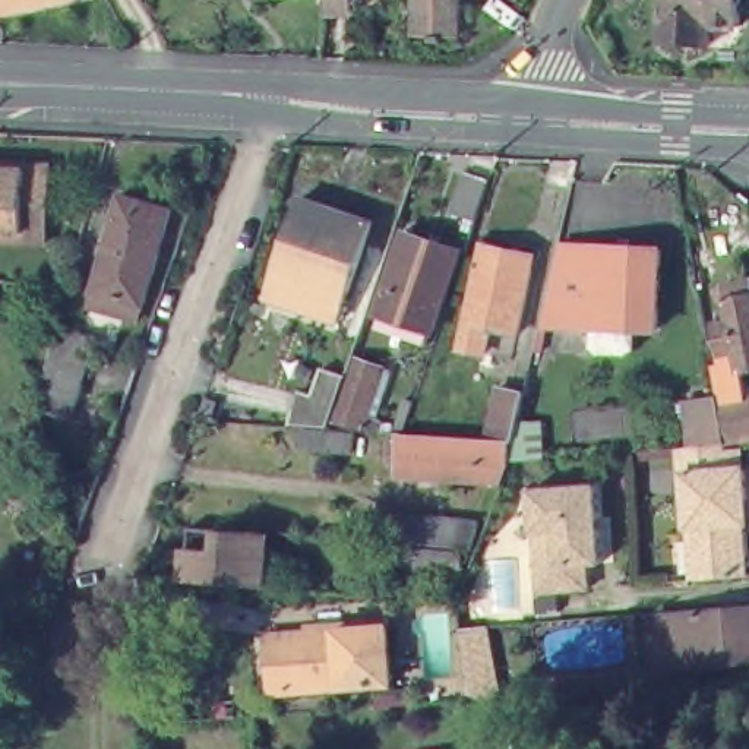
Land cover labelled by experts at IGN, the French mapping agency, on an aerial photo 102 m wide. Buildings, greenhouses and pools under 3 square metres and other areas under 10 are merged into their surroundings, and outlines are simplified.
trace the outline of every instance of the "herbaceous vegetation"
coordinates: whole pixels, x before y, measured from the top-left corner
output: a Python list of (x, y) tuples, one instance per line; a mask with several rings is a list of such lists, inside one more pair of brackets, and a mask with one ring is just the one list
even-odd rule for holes
[(91, 345), (105, 357), (108, 366), (117, 363), (117, 351), (123, 345), (120, 328), (97, 328), (88, 322), (76, 334), (85, 336)]
[(670, 59), (655, 56), (658, 44), (655, 0), (611, 0), (611, 20), (606, 20), (603, 26), (611, 41), (611, 53), (603, 59), (614, 76), (620, 73), (629, 79), (661, 82), (670, 76)]
[(641, 453), (641, 462), (635, 462), (638, 568), (644, 576), (652, 576), (658, 565), (673, 565), (673, 544), (679, 541), (679, 527), (673, 492), (673, 448), (652, 448)]
[(506, 685), (509, 673), (521, 676), (530, 670), (530, 652), (524, 652), (521, 647), (521, 638), (527, 635), (518, 620), (471, 617), (471, 603), (486, 594), (489, 585), (486, 568), (486, 547), (512, 518), (521, 494), (515, 489), (503, 489), (500, 483), (497, 486), (497, 506), (492, 512), (480, 512), (477, 492), (453, 492), (448, 503), (430, 492), (418, 486), (401, 486), (392, 480), (389, 439), (380, 430), (369, 430), (363, 436), (360, 459), (366, 465), (366, 477), (334, 480), (339, 494), (351, 497), (363, 509), (372, 509), (377, 518), (392, 518), (398, 524), (398, 541), (407, 544), (408, 516), (477, 521), (471, 544), (453, 541), (459, 571), (448, 568), (445, 579), (451, 588), (451, 603), (442, 611), (448, 611), (453, 623), (489, 632), (497, 682)]
[(594, 439), (623, 439), (626, 410), (611, 407), (611, 398), (623, 392), (626, 383), (632, 383), (635, 369), (647, 380), (664, 386), (676, 401), (705, 398), (711, 392), (711, 354), (705, 351), (699, 296), (690, 293), (685, 284), (682, 243), (658, 257), (652, 334), (632, 336), (629, 354), (623, 357), (588, 354), (553, 354), (544, 363), (544, 369), (530, 363), (527, 375), (509, 377), (506, 383), (521, 395), (515, 415), (524, 424), (541, 424), (541, 448), (571, 451), (585, 448), (585, 442)]
[(202, 363), (222, 375), (290, 392), (298, 392), (296, 366), (313, 372), (331, 369), (334, 363), (351, 360), (354, 354), (389, 372), (389, 383), (377, 410), (383, 424), (389, 424), (395, 415), (395, 401), (410, 398), (410, 413), (404, 424), (407, 433), (477, 439), (483, 433), (492, 392), (503, 383), (500, 377), (489, 375), (480, 363), (474, 357), (453, 354), (453, 331), (474, 246), (489, 243), (489, 231), (527, 231), (535, 225), (538, 199), (547, 184), (553, 161), (494, 158), (494, 167), (486, 181), (471, 222), (471, 231), (465, 231), (456, 243), (465, 246), (456, 278), (451, 281), (442, 298), (436, 328), (424, 336), (424, 342), (418, 345), (424, 351), (421, 366), (410, 363), (401, 372), (389, 348), (386, 336), (372, 331), (377, 322), (369, 313), (363, 319), (360, 336), (336, 331), (325, 331), (322, 325), (301, 319), (287, 319), (284, 313), (260, 313), (260, 281), (269, 263), (272, 243), (281, 231), (281, 205), (266, 208), (260, 243), (252, 243), (249, 260), (228, 272), (225, 287), (217, 298), (217, 322), (211, 322), (208, 336), (199, 348)]
[(480, 56), (506, 41), (506, 26), (518, 18), (512, 6), (518, 0), (456, 0), (456, 38), (459, 44), (474, 44)]
[(334, 497), (269, 494), (255, 489), (187, 483), (187, 497), (181, 500), (184, 515), (193, 518), (202, 530), (263, 535), (263, 568), (269, 571), (272, 559), (281, 556), (296, 565), (296, 573), (307, 579), (313, 588), (322, 588), (334, 579), (334, 565), (325, 559), (319, 547), (296, 544), (287, 538), (287, 532), (293, 512), (316, 515), (319, 521), (339, 521)]
[(0, 556), (6, 556), (6, 550), (15, 544), (23, 544), (23, 538), (18, 535), (18, 518), (0, 518)]
[(3, 749), (135, 749), (135, 731), (123, 726), (120, 717), (111, 717), (105, 705), (99, 705), (97, 711), (73, 711), (76, 699), (67, 693), (64, 679), (53, 673), (47, 682), (38, 682), (26, 693), (29, 714), (23, 731), (18, 731), (15, 740)]
[(372, 181), (363, 196), (392, 205), (389, 228), (413, 231), (421, 217), (448, 219), (448, 205), (459, 190), (459, 176), (445, 170), (445, 164), (433, 158), (389, 149), (366, 149), (363, 164), (369, 164)]
[(688, 176), (673, 167), (632, 161), (611, 164), (614, 176), (655, 178), (658, 190), (670, 190), (673, 222), (682, 231), (682, 237), (699, 243), (699, 263), (708, 269), (711, 278), (740, 281), (743, 275), (749, 275), (749, 202), (746, 196), (731, 193), (705, 173)]
[(237, 731), (193, 731), (187, 740), (167, 737), (158, 749), (243, 749)]
[(111, 196), (120, 184), (120, 167), (126, 173), (135, 173), (149, 155), (176, 155), (178, 149), (176, 143), (0, 135), (0, 167), (35, 170), (35, 164), (47, 164), (47, 170), (82, 170), (88, 173), (91, 187), (108, 199)]
[(85, 0), (32, 15), (0, 18), (0, 29), (15, 44), (85, 44), (99, 38), (111, 50), (129, 47), (129, 35), (117, 23), (123, 9), (117, 6), (117, 0)]
[(278, 749), (453, 749), (448, 743), (439, 743), (433, 731), (418, 734), (401, 723), (377, 740), (369, 723), (354, 726), (342, 723), (339, 717), (316, 717), (316, 708), (310, 702), (316, 696), (287, 699), (287, 717), (281, 717), (278, 711), (263, 717), (275, 731)]
[(696, 76), (702, 79), (702, 85), (749, 85), (749, 0), (734, 0), (740, 20), (737, 26), (740, 38), (731, 47), (720, 47), (717, 61), (699, 61)]
[(272, 29), (278, 29), (284, 47), (304, 53), (304, 50), (322, 50), (322, 47), (325, 47), (325, 20), (328, 20), (328, 18), (322, 15), (316, 0), (260, 0), (255, 3), (255, 9), (266, 15), (266, 23)]
[(161, 284), (161, 296), (181, 296), (187, 275), (196, 269), (214, 214), (205, 205), (193, 205), (178, 217), (181, 243), (173, 249), (173, 266)]
[(339, 184), (345, 165), (342, 161), (334, 167), (325, 161), (301, 158), (296, 181), (307, 184), (310, 190), (325, 181)]
[(61, 228), (53, 217), (44, 219), (44, 246), (0, 246), (0, 272), (6, 275), (23, 266), (23, 272), (38, 275), (38, 269), (50, 263), (50, 240), (61, 240), (76, 249), (76, 272), (79, 281), (88, 284), (97, 243), (94, 231)]
[(623, 544), (626, 532), (620, 474), (609, 471), (606, 480), (600, 480), (585, 474), (582, 468), (571, 468), (553, 471), (544, 480), (535, 477), (535, 471), (527, 462), (521, 462), (524, 489), (591, 486), (594, 512), (609, 518), (611, 544), (617, 547)]
[(20, 427), (38, 421), (38, 442), (56, 453), (61, 489), (79, 486), (88, 494), (79, 503), (79, 512), (94, 521), (99, 492), (111, 477), (108, 465), (91, 468), (88, 462), (97, 436), (105, 430), (105, 424), (91, 404), (85, 407), (76, 401), (73, 407), (64, 407), (59, 418), (47, 418), (41, 413), (38, 377), (26, 369), (26, 357), (18, 351), (12, 339), (0, 342), (0, 430), (12, 439), (20, 439)]
[(316, 474), (316, 462), (322, 453), (304, 451), (298, 445), (298, 430), (284, 424), (284, 433), (272, 433), (269, 427), (255, 424), (222, 427), (211, 439), (190, 445), (193, 421), (205, 418), (199, 413), (202, 404), (196, 392), (190, 392), (181, 401), (170, 436), (173, 451), (178, 456), (190, 456), (190, 465), (290, 480), (310, 480)]
[(164, 44), (170, 38), (193, 38), (205, 32), (217, 35), (219, 29), (214, 12), (228, 12), (234, 20), (253, 23), (241, 0), (140, 0)]

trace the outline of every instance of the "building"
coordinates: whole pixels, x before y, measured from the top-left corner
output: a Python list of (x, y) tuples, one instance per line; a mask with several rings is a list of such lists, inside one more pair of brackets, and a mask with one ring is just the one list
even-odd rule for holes
[(407, 0), (413, 38), (456, 38), (456, 0)]
[(0, 18), (32, 15), (85, 0), (0, 0)]
[(47, 164), (35, 164), (35, 170), (0, 167), (0, 246), (44, 246), (44, 219), (47, 170)]
[(155, 269), (167, 217), (173, 211), (161, 199), (143, 202), (129, 196), (111, 196), (108, 199), (105, 208), (94, 214), (94, 231), (97, 243), (88, 284), (88, 322), (97, 328), (120, 328), (132, 328), (138, 316), (149, 275)]
[(638, 664), (658, 670), (664, 685), (699, 688), (702, 679), (717, 679), (729, 661), (749, 661), (749, 606), (655, 614), (638, 614), (638, 635), (647, 635), (647, 652)]
[(41, 354), (44, 375), (50, 380), (50, 398), (53, 404), (64, 407), (73, 407), (76, 401), (82, 372), (88, 372), (82, 360), (76, 360), (76, 351), (85, 351), (91, 345), (85, 336), (76, 334), (70, 334), (59, 345), (44, 348)]
[(386, 688), (389, 667), (383, 626), (345, 626), (304, 626), (296, 632), (266, 632), (255, 641), (255, 658), (263, 690), (269, 696), (287, 699), (316, 696), (366, 693), (369, 705), (377, 705), (380, 711), (404, 708), (404, 696)]
[(459, 176), (459, 190), (448, 205), (448, 219), (456, 225), (462, 219), (471, 222), (486, 181), (468, 173)]
[(743, 275), (740, 281), (711, 278), (711, 293), (699, 290), (699, 296), (705, 351), (711, 354), (711, 392), (705, 398), (676, 401), (676, 415), (682, 421), (682, 448), (673, 448), (673, 492), (679, 527), (679, 541), (673, 544), (673, 565), (679, 573), (696, 582), (749, 576), (749, 573), (743, 559), (740, 453), (749, 448), (749, 275)]
[(500, 483), (506, 462), (521, 462), (527, 462), (541, 459), (541, 448), (541, 424), (524, 424), (515, 415), (521, 395), (506, 383), (503, 383), (492, 392), (483, 433), (477, 439), (407, 433), (404, 424), (410, 413), (410, 398), (395, 401), (395, 415), (389, 424), (383, 424), (377, 410), (389, 383), (389, 372), (354, 354), (351, 360), (334, 363), (331, 369), (313, 372), (296, 366), (298, 392), (290, 392), (293, 407), (281, 413), (284, 424), (298, 430), (298, 445), (304, 451), (322, 453), (360, 459), (363, 436), (369, 430), (380, 430), (389, 439), (392, 480), (401, 486), (418, 486), (430, 492), (445, 483), (471, 483), (489, 489), (497, 486)]
[(202, 404), (199, 413), (205, 418), (214, 418), (214, 392), (196, 392)]
[(532, 594), (565, 594), (582, 588), (585, 582), (597, 585), (606, 576), (606, 556), (594, 547), (594, 512), (591, 486), (524, 489), (521, 494), (512, 518), (518, 521), (518, 538), (530, 544)]
[(456, 243), (445, 246), (413, 231), (389, 228), (389, 237), (377, 252), (377, 257), (383, 260), (383, 275), (375, 290), (369, 313), (377, 322), (424, 336), (436, 328), (442, 298), (451, 281), (456, 278), (465, 246)]
[(489, 243), (474, 246), (453, 331), (453, 354), (474, 357), (480, 363), (483, 357), (489, 357), (489, 334), (515, 334), (532, 266), (530, 252), (500, 249)]
[(729, 26), (737, 26), (740, 20), (734, 0), (655, 0), (658, 44), (708, 47)]
[(334, 20), (334, 26), (348, 26), (348, 0), (316, 0), (322, 15), (328, 18)]
[(193, 518), (184, 515), (176, 521), (176, 538), (181, 547), (173, 553), (178, 582), (205, 585), (214, 576), (231, 576), (243, 588), (260, 591), (263, 568), (263, 535), (202, 530)]
[(588, 354), (623, 357), (629, 354), (632, 336), (652, 334), (658, 257), (655, 246), (626, 243), (562, 243), (550, 249), (538, 322), (553, 334), (579, 336)]
[(260, 281), (260, 313), (284, 313), (287, 319), (301, 319), (322, 325), (325, 331), (336, 331), (336, 310), (348, 287), (348, 275), (357, 266), (360, 252), (366, 246), (369, 222), (357, 214), (313, 202), (310, 190), (307, 184), (296, 181), (290, 199), (281, 199), (281, 205), (281, 231), (272, 243), (269, 263)]
[(477, 521), (408, 516), (407, 544), (413, 550), (413, 573), (421, 565), (448, 568), (459, 571), (453, 541), (471, 544)]

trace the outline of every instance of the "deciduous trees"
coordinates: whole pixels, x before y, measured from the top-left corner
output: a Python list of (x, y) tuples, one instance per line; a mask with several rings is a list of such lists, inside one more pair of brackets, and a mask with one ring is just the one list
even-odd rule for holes
[(117, 424), (117, 407), (111, 401), (111, 392), (97, 392), (91, 404), (105, 424)]
[(255, 658), (255, 641), (246, 632), (234, 632), (225, 614), (240, 606), (257, 609), (260, 603), (272, 606), (275, 611), (331, 606), (351, 603), (354, 609), (380, 609), (386, 614), (418, 614), (442, 611), (451, 603), (451, 588), (445, 579), (448, 568), (421, 565), (413, 573), (413, 550), (407, 544), (398, 541), (398, 524), (392, 518), (377, 518), (372, 509), (363, 509), (351, 497), (339, 494), (334, 497), (339, 521), (319, 521), (316, 515), (293, 512), (287, 532), (287, 538), (296, 544), (319, 547), (325, 559), (334, 565), (334, 579), (322, 588), (313, 588), (307, 579), (296, 573), (296, 565), (281, 556), (272, 559), (269, 571), (263, 568), (260, 591), (243, 588), (231, 576), (214, 576), (205, 585), (178, 582), (173, 553), (181, 547), (176, 538), (176, 521), (184, 515), (181, 500), (187, 497), (187, 483), (184, 483), (167, 477), (152, 489), (146, 506), (146, 538), (152, 541), (152, 547), (135, 553), (138, 565), (126, 571), (129, 576), (123, 585), (114, 573), (108, 573), (94, 588), (73, 585), (73, 559), (67, 556), (76, 547), (70, 527), (76, 524), (79, 512), (79, 503), (88, 494), (79, 486), (61, 489), (56, 453), (38, 442), (38, 421), (20, 427), (20, 439), (12, 439), (0, 430), (0, 518), (18, 518), (18, 535), (23, 538), (23, 544), (15, 544), (6, 550), (6, 556), (0, 556), (0, 749), (3, 749), (15, 740), (18, 731), (23, 731), (29, 714), (26, 693), (38, 682), (47, 682), (53, 673), (64, 679), (67, 693), (76, 699), (73, 711), (97, 711), (99, 705), (105, 705), (111, 717), (120, 717), (123, 726), (135, 731), (135, 749), (158, 749), (167, 737), (187, 740), (193, 731), (237, 731), (243, 749), (278, 749), (275, 731), (263, 717), (278, 711), (281, 717), (287, 717), (287, 699), (269, 696), (263, 690)]
[(418, 679), (407, 679), (404, 696), (404, 708), (380, 711), (377, 705), (369, 705), (366, 693), (316, 696), (310, 702), (316, 708), (316, 717), (339, 717), (342, 723), (354, 726), (369, 723), (377, 740), (401, 723), (418, 734), (433, 731), (439, 743), (448, 743), (453, 749), (749, 749), (749, 661), (729, 661), (717, 679), (702, 679), (699, 688), (664, 685), (658, 670), (638, 664), (620, 661), (603, 667), (550, 667), (544, 661), (544, 641), (538, 635), (527, 635), (521, 638), (521, 647), (524, 652), (530, 652), (530, 670), (521, 676), (509, 673), (506, 685), (497, 682), (489, 696), (451, 693), (433, 702), (430, 693), (415, 690)]
[(366, 465), (360, 459), (322, 453), (316, 462), (316, 474), (319, 480), (334, 480), (366, 477)]
[(413, 38), (407, 0), (348, 0), (348, 26), (334, 26), (334, 47), (336, 47), (336, 50), (345, 53), (345, 61), (407, 67), (465, 67), (480, 56), (474, 44), (459, 44), (456, 38)]
[(140, 357), (140, 336), (146, 334), (146, 319), (138, 316), (132, 328), (120, 328), (123, 345), (117, 351), (117, 363), (126, 372), (135, 372)]
[(38, 275), (23, 272), (23, 266), (6, 275), (0, 272), (0, 342), (12, 339), (18, 351), (26, 357), (26, 369), (38, 377), (41, 413), (47, 418), (59, 418), (64, 407), (53, 404), (50, 398), (50, 380), (44, 375), (41, 354), (44, 348), (59, 345), (70, 334), (76, 334), (88, 322), (88, 284), (79, 281), (76, 272), (76, 249), (61, 240), (50, 240), (50, 263), (38, 269)]
[(85, 351), (76, 351), (76, 360), (82, 360), (88, 372), (97, 377), (108, 366), (105, 357), (91, 345)]
[(421, 366), (424, 351), (418, 345), (401, 342), (389, 348), (401, 372), (410, 363)]
[(91, 187), (88, 173), (82, 170), (47, 170), (44, 219), (53, 217), (61, 228), (94, 231), (94, 214), (105, 208), (108, 199)]
[(521, 462), (506, 462), (500, 483), (503, 489), (515, 489), (521, 494), (524, 489)]
[(480, 512), (492, 512), (497, 506), (497, 486), (489, 489), (471, 483), (445, 483), (430, 492), (448, 503), (453, 492), (477, 492)]
[(178, 56), (272, 50), (263, 38), (263, 29), (253, 23), (234, 20), (228, 12), (214, 12), (219, 29), (217, 35), (205, 32), (193, 38), (170, 38), (164, 44), (164, 47)]
[(126, 173), (120, 167), (120, 184), (111, 196), (129, 196), (143, 202), (161, 199), (173, 211), (178, 217), (193, 205), (187, 193), (199, 181), (208, 181), (211, 170), (208, 149), (199, 146), (193, 152), (178, 149), (176, 155), (149, 155), (135, 173)]
[(541, 459), (527, 462), (535, 471), (535, 477), (544, 480), (553, 471), (571, 468), (582, 468), (585, 474), (600, 480), (606, 480), (609, 471), (620, 474), (629, 451), (641, 453), (652, 448), (673, 448), (682, 448), (682, 421), (676, 415), (676, 401), (664, 386), (647, 380), (635, 369), (632, 383), (626, 383), (623, 392), (611, 398), (611, 407), (626, 410), (623, 439), (594, 439), (585, 442), (585, 448), (571, 451), (541, 448)]
[(579, 26), (603, 59), (611, 53), (611, 41), (603, 26), (606, 20), (611, 20), (611, 0), (594, 0), (588, 18), (579, 18)]
[(193, 421), (190, 445), (211, 439), (222, 427), (214, 418), (205, 418)]

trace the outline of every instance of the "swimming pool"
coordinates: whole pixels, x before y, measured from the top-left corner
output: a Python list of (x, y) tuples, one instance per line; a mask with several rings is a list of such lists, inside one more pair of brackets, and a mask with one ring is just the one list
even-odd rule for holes
[(544, 661), (550, 667), (603, 667), (620, 661), (623, 632), (617, 626), (568, 623), (550, 632), (544, 641)]
[(489, 585), (503, 594), (506, 606), (512, 606), (518, 600), (518, 568), (512, 559), (506, 559), (492, 562), (486, 568)]
[(451, 673), (448, 626), (453, 623), (448, 611), (442, 611), (418, 614), (418, 667), (424, 667), (421, 679), (430, 682)]

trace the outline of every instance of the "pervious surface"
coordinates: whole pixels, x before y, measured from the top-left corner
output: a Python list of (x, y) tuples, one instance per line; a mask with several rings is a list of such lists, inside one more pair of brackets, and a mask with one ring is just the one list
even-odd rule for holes
[(418, 614), (386, 614), (380, 609), (354, 609), (351, 603), (331, 606), (336, 609), (345, 626), (383, 626), (389, 667), (386, 688), (404, 696), (407, 679), (418, 679), (415, 690), (430, 693), (433, 702), (451, 693), (489, 696), (497, 682), (489, 632), (453, 623), (448, 626), (451, 673), (430, 682), (421, 679), (424, 667), (418, 667)]
[(117, 23), (129, 35), (129, 47), (140, 47), (143, 53), (161, 53), (164, 47), (164, 44), (140, 0), (117, 0), (117, 6), (123, 9)]
[(158, 310), (161, 296), (161, 284), (173, 266), (173, 249), (181, 243), (178, 217), (173, 211), (167, 217), (155, 269), (149, 275), (138, 316), (146, 319)]
[(290, 392), (222, 375), (217, 377), (217, 392), (222, 392), (228, 404), (281, 413), (293, 407)]
[(263, 29), (263, 38), (272, 50), (284, 47), (278, 29), (272, 29), (266, 23), (266, 15), (255, 9), (255, 3), (260, 0), (241, 0), (253, 23)]
[(641, 585), (629, 588), (623, 585), (623, 571), (617, 559), (611, 556), (606, 556), (606, 576), (597, 585), (585, 582), (582, 588), (565, 594), (571, 611), (617, 611), (632, 609), (638, 603), (650, 603), (655, 614), (749, 606), (749, 576), (696, 582), (679, 573), (673, 582), (650, 585), (644, 579)]
[(260, 603), (257, 609), (240, 606), (225, 614), (234, 632), (246, 632), (255, 641), (266, 632), (275, 611), (272, 606)]
[(334, 480), (319, 480), (316, 474), (310, 480), (290, 480), (190, 465), (184, 483), (187, 483), (255, 489), (269, 494), (334, 497), (339, 494)]

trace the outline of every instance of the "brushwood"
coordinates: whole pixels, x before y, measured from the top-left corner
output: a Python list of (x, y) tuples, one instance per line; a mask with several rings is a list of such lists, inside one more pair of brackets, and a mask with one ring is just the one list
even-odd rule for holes
[(699, 296), (699, 290), (711, 293), (711, 278), (708, 269), (699, 263), (699, 243), (682, 237), (682, 243), (685, 284), (690, 293)]
[(208, 181), (199, 181), (187, 193), (193, 205), (205, 205), (214, 214), (237, 149), (228, 146), (222, 138), (199, 138), (199, 146), (208, 149), (211, 170)]
[(638, 568), (635, 462), (641, 462), (641, 453), (629, 451), (620, 474), (626, 532), (623, 544), (617, 547), (617, 553), (611, 556), (617, 559), (623, 571), (623, 585), (629, 588), (641, 585), (644, 579), (650, 585), (673, 582), (679, 573), (673, 565), (658, 565), (652, 576), (644, 576)]
[(304, 146), (298, 143), (298, 138), (293, 138), (275, 196), (263, 202), (266, 208), (281, 205), (281, 199), (290, 199), (296, 181), (301, 158), (325, 161), (334, 167), (342, 161), (345, 149), (339, 146)]
[(322, 50), (304, 50), (304, 53), (307, 59), (334, 59), (334, 50), (336, 50), (336, 47), (334, 47), (334, 26), (334, 20), (328, 18), (328, 20), (325, 20), (325, 47), (322, 47)]

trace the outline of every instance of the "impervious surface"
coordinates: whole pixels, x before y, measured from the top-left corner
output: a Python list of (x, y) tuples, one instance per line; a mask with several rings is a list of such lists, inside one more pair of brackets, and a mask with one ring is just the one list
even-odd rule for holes
[(296, 632), (304, 626), (345, 626), (336, 609), (331, 606), (275, 611), (266, 632)]
[(638, 614), (655, 614), (650, 603), (638, 603), (632, 609), (617, 611), (571, 611), (565, 594), (532, 594), (530, 544), (518, 538), (518, 521), (512, 518), (486, 547), (486, 568), (492, 562), (506, 559), (512, 559), (518, 568), (518, 600), (512, 606), (506, 606), (503, 594), (489, 585), (486, 594), (471, 603), (471, 617), (518, 620), (527, 635), (538, 635), (544, 641), (550, 632), (568, 623), (617, 626), (623, 632), (620, 661), (638, 664), (647, 652), (647, 635), (638, 635)]
[(550, 249), (562, 243), (626, 243), (655, 246), (658, 257), (682, 243), (682, 237), (682, 231), (673, 222), (670, 190), (658, 190), (655, 178), (614, 176), (611, 164), (632, 161), (673, 167), (688, 176), (705, 173), (731, 193), (746, 196), (749, 202), (749, 85), (702, 85), (702, 79), (696, 76), (699, 61), (717, 61), (720, 47), (731, 47), (740, 38), (737, 26), (729, 26), (708, 47), (658, 44), (655, 56), (670, 59), (670, 76), (661, 82), (629, 79), (620, 73), (614, 76), (603, 59), (579, 26), (579, 18), (588, 18), (594, 0), (518, 0), (512, 6), (518, 18), (506, 26), (506, 41), (480, 56), (465, 67), (407, 67), (345, 61), (345, 53), (336, 50), (334, 50), (334, 59), (307, 59), (304, 53), (284, 47), (272, 50), (178, 56), (164, 47), (161, 53), (143, 53), (140, 47), (129, 47), (111, 50), (99, 38), (85, 44), (15, 44), (0, 29), (0, 135), (176, 143), (178, 149), (193, 152), (199, 146), (199, 138), (222, 138), (228, 146), (237, 149), (214, 214), (196, 269), (187, 275), (181, 296), (161, 296), (158, 310), (146, 319), (146, 334), (140, 336), (140, 357), (135, 372), (126, 372), (117, 363), (108, 366), (97, 377), (88, 372), (82, 372), (76, 401), (85, 407), (91, 404), (97, 392), (111, 392), (111, 401), (117, 407), (117, 424), (105, 424), (105, 430), (97, 436), (88, 462), (91, 468), (108, 465), (111, 477), (99, 492), (94, 521), (79, 512), (76, 524), (70, 527), (76, 547), (67, 556), (73, 559), (73, 585), (94, 588), (108, 573), (114, 573), (123, 585), (129, 576), (126, 571), (138, 565), (135, 553), (152, 547), (152, 541), (146, 538), (146, 506), (152, 489), (167, 477), (184, 483), (190, 465), (190, 456), (178, 456), (173, 451), (170, 436), (181, 401), (190, 392), (196, 392), (214, 392), (214, 418), (222, 427), (255, 424), (269, 427), (272, 433), (284, 433), (284, 424), (281, 413), (228, 404), (222, 392), (217, 392), (217, 377), (222, 375), (202, 363), (199, 348), (208, 336), (211, 322), (217, 322), (217, 298), (225, 287), (228, 272), (249, 260), (252, 243), (260, 243), (266, 208), (263, 202), (275, 196), (293, 138), (298, 138), (298, 143), (304, 146), (339, 146), (345, 149), (342, 161), (345, 165), (339, 184), (325, 181), (310, 190), (313, 202), (357, 214), (369, 222), (366, 246), (360, 252), (357, 266), (348, 275), (348, 287), (336, 310), (336, 331), (360, 336), (363, 319), (369, 313), (375, 290), (383, 275), (383, 260), (377, 257), (377, 252), (389, 237), (389, 228), (392, 205), (363, 196), (372, 181), (369, 164), (363, 164), (366, 149), (389, 149), (433, 158), (445, 164), (445, 170), (459, 176), (468, 173), (486, 181), (494, 167), (494, 158), (553, 161), (547, 184), (538, 199), (535, 225), (527, 231), (489, 231), (489, 243), (500, 249), (530, 252), (532, 266), (515, 334), (489, 334), (489, 357), (483, 357), (480, 363), (489, 375), (500, 377), (503, 383), (506, 383), (509, 377), (527, 375), (530, 363), (544, 369), (544, 363), (553, 354), (588, 354), (579, 336), (553, 334), (538, 322)]
[(413, 231), (445, 246), (456, 243), (465, 231), (471, 231), (471, 222), (462, 219), (456, 225), (448, 219), (421, 217)]
[(389, 348), (401, 342), (418, 345), (424, 342), (424, 336), (377, 322), (372, 331), (386, 336)]
[(617, 553), (617, 547), (611, 544), (609, 518), (594, 512), (594, 547), (606, 556), (611, 556)]
[(740, 453), (743, 559), (749, 573), (749, 448)]

